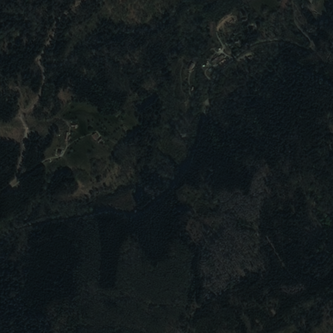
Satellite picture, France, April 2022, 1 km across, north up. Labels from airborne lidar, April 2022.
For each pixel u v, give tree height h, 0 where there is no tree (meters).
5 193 28
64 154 0
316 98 29
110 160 22
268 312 12
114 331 16
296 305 13
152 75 21
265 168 26
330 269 17
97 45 17
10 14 14
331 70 14
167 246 23
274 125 25
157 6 12
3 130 0
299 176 27
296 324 20
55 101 21
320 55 20
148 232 26
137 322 16
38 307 13
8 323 26
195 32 9
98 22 12
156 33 23
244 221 9
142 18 14
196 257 22
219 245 22
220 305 13
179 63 0
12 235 23
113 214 20
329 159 32
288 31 18
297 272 29
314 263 38
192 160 28
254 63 16
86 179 16
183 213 21
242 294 15
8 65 32
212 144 30
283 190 20
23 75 29
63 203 30
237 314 17
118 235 22
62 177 22
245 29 7
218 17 11
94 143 0
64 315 6
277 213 23
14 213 20
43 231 12
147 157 35
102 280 20
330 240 27
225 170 25
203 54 17
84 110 0
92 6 22
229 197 26
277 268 22
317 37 22
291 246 29
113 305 18
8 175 26
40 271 14
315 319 24
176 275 17
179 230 25
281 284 24
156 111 21
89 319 19
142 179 22
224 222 24
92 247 19
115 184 16
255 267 17
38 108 18
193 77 0
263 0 0
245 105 23
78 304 17
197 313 15
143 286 19
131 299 16
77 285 16
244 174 24
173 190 28
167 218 28
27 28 33
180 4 20
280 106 29
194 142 12
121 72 26
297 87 33
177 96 7
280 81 29
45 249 13
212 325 16
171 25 18
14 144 27
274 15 7
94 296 16
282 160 26
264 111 25
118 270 22
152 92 33
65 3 24
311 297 14
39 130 0
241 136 26
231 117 27
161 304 13
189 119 22
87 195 0
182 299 19
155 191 28
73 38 7
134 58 17
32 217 16
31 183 32
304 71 31
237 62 12
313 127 33
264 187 16
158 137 36
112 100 30
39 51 33
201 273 23
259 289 20
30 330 22
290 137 30
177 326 11
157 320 16
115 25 29
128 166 32
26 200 31
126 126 0
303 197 23
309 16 32
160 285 20
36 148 23
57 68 16
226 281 21
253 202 22
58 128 17
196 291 17
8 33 24
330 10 32
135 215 22
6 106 29
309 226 27
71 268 11
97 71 22
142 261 23
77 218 17
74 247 12
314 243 30
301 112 29
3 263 31
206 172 21
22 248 7
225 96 18
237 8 6
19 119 0
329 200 27
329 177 28
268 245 20
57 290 16
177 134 20
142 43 23
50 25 27
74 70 15
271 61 15
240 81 17
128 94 29
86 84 30
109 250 14
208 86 16
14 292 28
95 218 20
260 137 22
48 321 13
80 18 21
